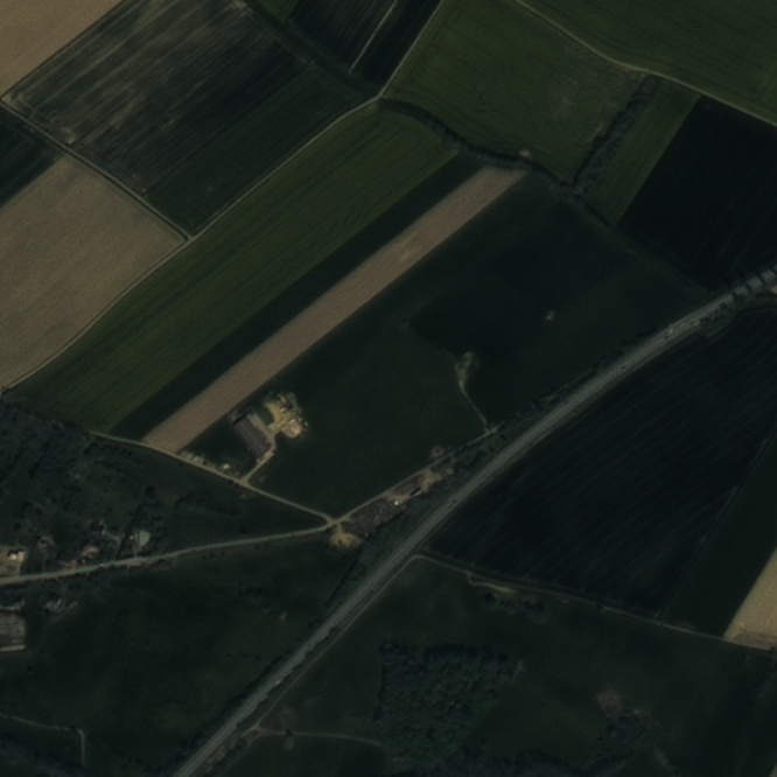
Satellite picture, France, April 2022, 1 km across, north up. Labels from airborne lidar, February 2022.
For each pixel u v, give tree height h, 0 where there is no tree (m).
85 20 0
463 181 0
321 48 0
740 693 0
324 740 0
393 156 0
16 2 0
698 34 0
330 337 0
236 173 0
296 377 0
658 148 0
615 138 13
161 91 0
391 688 21
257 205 0
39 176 0
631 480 0
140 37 0
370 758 0
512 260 0
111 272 0
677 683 0
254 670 0
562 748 0
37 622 0
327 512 0
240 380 0
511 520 0
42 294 0
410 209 0
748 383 0
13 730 0
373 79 0
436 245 0
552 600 0
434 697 19
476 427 0
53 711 0
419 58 0
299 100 0
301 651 0
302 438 0
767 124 0
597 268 0
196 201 0
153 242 0
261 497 0
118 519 0
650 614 0
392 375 0
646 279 0
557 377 0
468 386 0
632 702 0
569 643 0
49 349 0
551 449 0
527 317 0
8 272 0
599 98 0
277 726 0
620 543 0
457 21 0
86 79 0
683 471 0
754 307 0
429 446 0
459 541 0
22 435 10
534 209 0
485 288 0
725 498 0
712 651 0
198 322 0
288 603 0
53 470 8
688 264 0
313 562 0
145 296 0
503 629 0
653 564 0
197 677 0
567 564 0
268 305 0
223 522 0
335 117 0
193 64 0
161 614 0
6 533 0
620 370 0
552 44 0
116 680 0
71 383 0
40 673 0
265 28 0
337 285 0
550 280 0
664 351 0
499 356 0
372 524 0
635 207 0
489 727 0
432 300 0
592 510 0
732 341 0
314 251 0
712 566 0
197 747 7
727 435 0
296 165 0
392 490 0
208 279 0
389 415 0
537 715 0
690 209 0
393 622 0
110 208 0
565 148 0
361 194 0
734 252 0
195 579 0
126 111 0
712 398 0
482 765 26
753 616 0
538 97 0
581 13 0
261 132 0
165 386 0
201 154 0
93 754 0
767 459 0
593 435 0
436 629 0
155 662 0
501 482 0
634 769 0
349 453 0
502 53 0
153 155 0
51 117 0
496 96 0
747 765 0
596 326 0
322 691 0
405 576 0
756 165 0
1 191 0
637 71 0
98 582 10
